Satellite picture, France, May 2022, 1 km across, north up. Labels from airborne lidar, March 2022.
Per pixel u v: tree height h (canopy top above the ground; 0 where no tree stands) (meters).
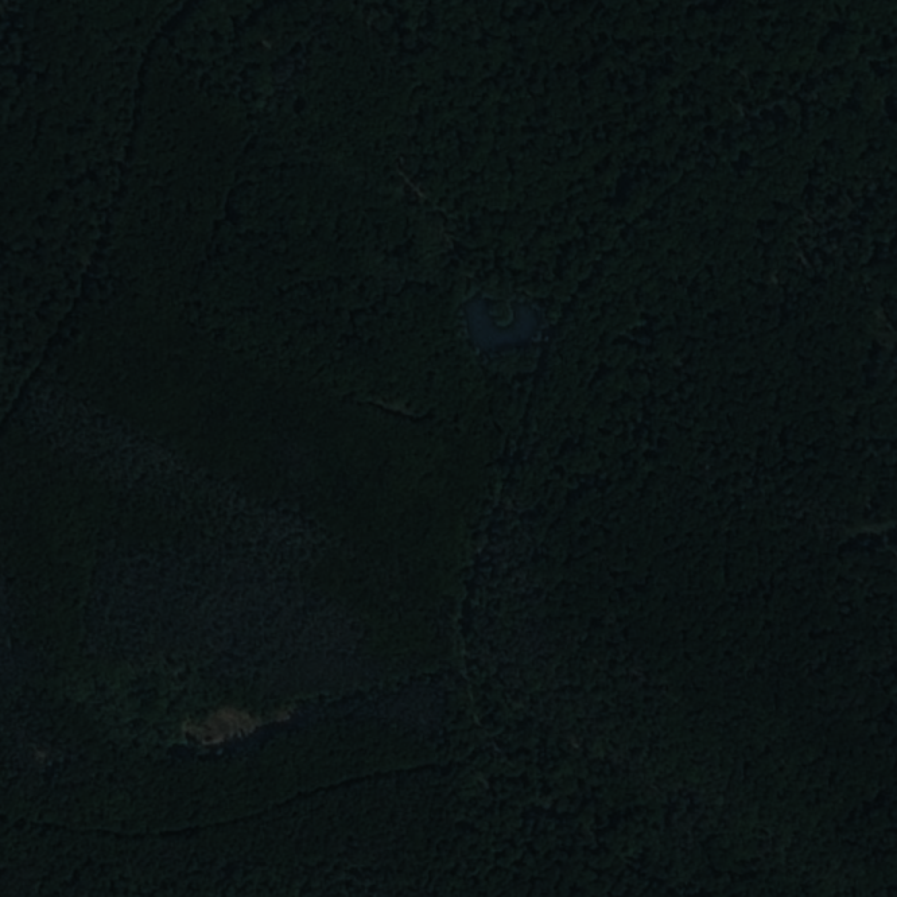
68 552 21
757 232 32
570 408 32
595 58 29
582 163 29
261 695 18
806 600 25
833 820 26
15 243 36
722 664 26
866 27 30
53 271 33
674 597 26
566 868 33
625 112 25
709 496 25
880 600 24
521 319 0
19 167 28
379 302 27
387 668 22
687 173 29
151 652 27
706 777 24
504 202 26
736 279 34
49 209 33
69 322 19
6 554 21
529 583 28
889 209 28
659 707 26
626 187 30
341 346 27
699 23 29
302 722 24
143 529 22
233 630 25
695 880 31
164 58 19
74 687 25
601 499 26
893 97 32
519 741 29
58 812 20
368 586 21
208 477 29
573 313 29
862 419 10
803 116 33
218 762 23
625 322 29
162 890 24
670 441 28
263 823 23
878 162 31
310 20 31
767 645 29
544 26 34
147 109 20
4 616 24
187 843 23
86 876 25
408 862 24
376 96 28
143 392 22
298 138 26
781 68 27
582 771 29
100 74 30
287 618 23
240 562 23
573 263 26
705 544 27
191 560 24
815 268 28
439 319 29
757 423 26
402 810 22
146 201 21
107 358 22
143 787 24
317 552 19
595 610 26
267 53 32
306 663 26
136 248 20
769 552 26
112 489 18
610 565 27
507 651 29
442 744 26
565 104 30
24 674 26
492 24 30
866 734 30
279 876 28
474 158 30
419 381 30
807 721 29
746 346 30
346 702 23
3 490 21
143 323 19
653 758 27
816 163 30
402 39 32
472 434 20
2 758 23
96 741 23
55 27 30
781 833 24
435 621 24
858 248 28
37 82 32
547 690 27
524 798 29
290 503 17
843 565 23
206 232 19
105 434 27
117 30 29
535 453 28
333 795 21
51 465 20
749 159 33
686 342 28
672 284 31
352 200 29
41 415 29
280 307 28
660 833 24
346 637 23
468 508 19
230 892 24
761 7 29
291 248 32
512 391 27
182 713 20
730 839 24
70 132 31
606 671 30
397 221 26
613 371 30
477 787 29
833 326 28
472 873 29
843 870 30
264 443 16
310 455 17
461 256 25
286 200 33
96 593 22
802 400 27
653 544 28
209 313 27
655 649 27
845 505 26
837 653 29
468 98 33
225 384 19
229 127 21
